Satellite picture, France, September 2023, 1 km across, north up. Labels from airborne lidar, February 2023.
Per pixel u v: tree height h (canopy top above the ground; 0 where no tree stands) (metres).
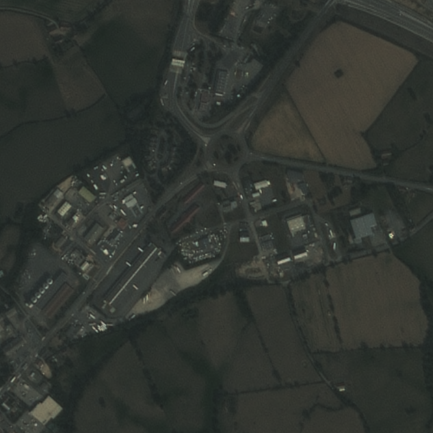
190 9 0
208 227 0
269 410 0
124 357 0
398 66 0
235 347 0
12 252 0
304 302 0
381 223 0
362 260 0
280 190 0
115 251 0
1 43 0
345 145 0
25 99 0
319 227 0
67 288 0
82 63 0
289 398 0
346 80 0
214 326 0
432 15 0
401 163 0
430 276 0
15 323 0
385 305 0
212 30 10
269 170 0
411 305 0
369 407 0
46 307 0
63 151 0
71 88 0
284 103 0
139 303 0
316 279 0
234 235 0
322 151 0
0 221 0
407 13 0
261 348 0
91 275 0
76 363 0
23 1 0
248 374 0
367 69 0
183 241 0
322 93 0
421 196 0
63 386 0
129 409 0
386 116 0
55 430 0
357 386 0
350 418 0
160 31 0
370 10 0
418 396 0
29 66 0
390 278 0
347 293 0
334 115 0
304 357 0
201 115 0
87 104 0
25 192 0
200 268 0
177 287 0
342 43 0
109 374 0
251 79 0
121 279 0
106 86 0
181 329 0
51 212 0
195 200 0
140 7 0
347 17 0
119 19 0
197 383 0
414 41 0
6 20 0
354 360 0
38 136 0
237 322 0
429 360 15
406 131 0
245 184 0
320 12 0
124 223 0
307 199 0
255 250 0
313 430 0
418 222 0
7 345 0
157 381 0
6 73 0
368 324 0
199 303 0
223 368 0
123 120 9
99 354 0
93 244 0
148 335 0
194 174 0
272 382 0
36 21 0
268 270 0
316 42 0
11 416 6
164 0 0
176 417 0
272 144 0
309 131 0
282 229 0
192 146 8
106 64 0
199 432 0
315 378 0
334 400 0
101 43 0
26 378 0
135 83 0
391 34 0
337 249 0
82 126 0
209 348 0
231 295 0
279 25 0
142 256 0
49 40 0
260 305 0
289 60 0
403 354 0
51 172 0
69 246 0
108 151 11
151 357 0
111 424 0
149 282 0
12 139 0
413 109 0
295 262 0
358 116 0
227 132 0
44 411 0
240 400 0
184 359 0
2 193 0
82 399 0
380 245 0
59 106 0
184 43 0
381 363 0
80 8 0
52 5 0
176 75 0
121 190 0
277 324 0
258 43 0
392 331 0
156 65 0
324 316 0
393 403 0
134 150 15
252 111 0
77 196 0
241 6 0
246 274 0
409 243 0
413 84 0
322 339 0
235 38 0
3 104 0
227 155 10
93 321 0
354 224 0
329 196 14
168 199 0
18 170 0
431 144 0
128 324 16
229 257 0
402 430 0
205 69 0
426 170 0
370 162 0
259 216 0
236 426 0
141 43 0
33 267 0
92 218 0
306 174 0
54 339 0
